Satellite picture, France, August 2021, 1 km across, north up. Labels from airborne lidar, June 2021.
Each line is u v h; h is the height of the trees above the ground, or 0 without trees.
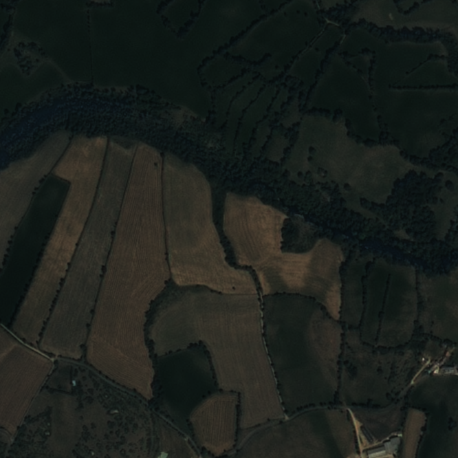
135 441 0
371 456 0
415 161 16
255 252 0
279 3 0
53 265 0
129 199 0
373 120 0
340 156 0
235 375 0
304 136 0
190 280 0
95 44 0
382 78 0
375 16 0
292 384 0
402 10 10
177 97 0
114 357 0
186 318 0
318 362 0
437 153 13
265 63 13
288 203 11
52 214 0
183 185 0
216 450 0
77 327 0
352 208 0
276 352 0
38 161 0
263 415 0
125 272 0
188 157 14
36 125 9
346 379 0
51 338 0
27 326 0
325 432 0
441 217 0
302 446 0
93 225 0
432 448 0
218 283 0
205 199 0
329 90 0
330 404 7
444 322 0
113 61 0
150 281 0
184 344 0
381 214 8
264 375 0
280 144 0
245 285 0
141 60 0
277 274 0
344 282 6
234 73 0
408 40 11
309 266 0
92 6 13
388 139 12
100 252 0
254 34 0
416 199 14
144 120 11
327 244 0
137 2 0
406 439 0
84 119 13
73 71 0
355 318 0
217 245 0
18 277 0
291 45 0
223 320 0
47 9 0
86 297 0
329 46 0
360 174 0
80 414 0
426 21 0
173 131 10
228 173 10
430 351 0
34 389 0
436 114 0
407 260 46
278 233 0
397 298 0
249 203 0
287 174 11
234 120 0
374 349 7
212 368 7
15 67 0
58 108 11
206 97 0
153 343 12
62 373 0
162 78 0
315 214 9
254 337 0
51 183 0
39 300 0
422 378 0
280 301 0
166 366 0
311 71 0
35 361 0
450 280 0
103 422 0
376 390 0
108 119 7
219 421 0
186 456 0
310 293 0
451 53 8
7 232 0
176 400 0
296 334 0
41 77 0
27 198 0
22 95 0
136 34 0
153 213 0
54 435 0
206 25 0
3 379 0
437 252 8
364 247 12
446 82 0
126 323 0
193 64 0
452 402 0
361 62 0
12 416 0
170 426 6
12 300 0
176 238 0
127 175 0
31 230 0
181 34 12
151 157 0
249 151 10
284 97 0
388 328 0
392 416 0
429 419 9
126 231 0
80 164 0
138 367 0
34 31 0
